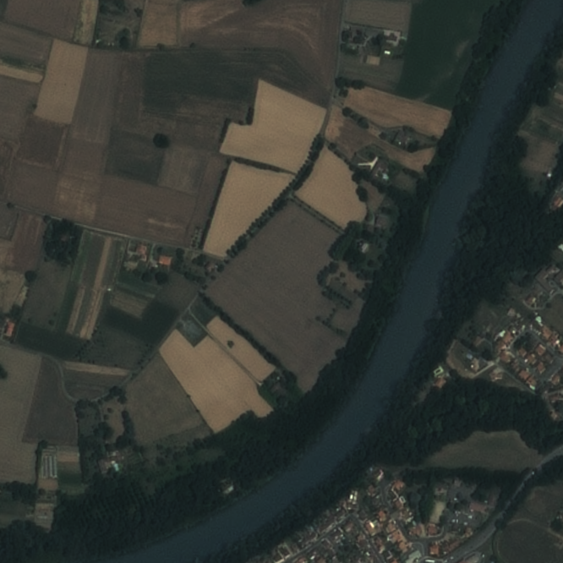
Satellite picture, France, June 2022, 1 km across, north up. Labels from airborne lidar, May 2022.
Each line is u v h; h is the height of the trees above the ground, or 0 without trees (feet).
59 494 29
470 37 0
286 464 92
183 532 0
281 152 0
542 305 0
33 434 0
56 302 0
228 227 0
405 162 0
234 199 0
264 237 0
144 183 0
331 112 0
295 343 0
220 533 0
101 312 0
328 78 0
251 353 0
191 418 0
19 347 0
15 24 0
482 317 0
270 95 0
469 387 89
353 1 0
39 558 46
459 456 0
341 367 77
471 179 0
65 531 72
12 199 0
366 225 21
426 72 0
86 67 0
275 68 0
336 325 0
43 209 0
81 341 0
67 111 0
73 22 0
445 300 65
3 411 0
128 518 44
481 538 0
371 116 0
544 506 0
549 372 0
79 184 0
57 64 0
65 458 0
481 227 82
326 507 35
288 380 41
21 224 0
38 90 0
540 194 55
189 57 0
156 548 0
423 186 72
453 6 0
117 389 49
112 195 0
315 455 0
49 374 0
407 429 102
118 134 0
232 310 0
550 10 0
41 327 0
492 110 0
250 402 0
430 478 50
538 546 0
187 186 0
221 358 0
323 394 68
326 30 0
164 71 0
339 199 0
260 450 101
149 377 0
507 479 31
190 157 0
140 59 0
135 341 0
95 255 0
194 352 0
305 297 0
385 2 0
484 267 71
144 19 0
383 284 52
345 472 54
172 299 0
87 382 0
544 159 0
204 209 0
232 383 0
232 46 0
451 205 0
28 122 0
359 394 0
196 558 31
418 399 34
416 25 0
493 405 100
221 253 0
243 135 0
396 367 0
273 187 0
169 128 0
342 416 0
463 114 63
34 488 42
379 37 39
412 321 0
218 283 0
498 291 38
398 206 45
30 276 51
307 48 0
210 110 0
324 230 0
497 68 0
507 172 51
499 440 0
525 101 52
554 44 101
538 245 96
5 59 0
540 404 68
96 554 94
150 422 0
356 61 0
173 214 0
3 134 0
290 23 0
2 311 0
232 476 96
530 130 0
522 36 0
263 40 0
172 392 0
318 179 0
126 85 0
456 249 19
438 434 98
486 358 51
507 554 0
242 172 0
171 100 0
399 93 0
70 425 0
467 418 79
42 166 0
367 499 35
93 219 0
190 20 0
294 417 30
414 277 0
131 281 0
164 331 0
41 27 0
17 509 0
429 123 0
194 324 0
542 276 0
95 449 31
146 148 0
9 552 91
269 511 0
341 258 91
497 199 88
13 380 0
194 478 56
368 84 0
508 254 84
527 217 78
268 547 37
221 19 0
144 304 0
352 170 36
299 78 0
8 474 0
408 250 96
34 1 0
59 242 32
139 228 0
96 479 50
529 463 0
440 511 0
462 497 40
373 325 40
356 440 0
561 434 48
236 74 0
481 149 0
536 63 32
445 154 79
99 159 0
